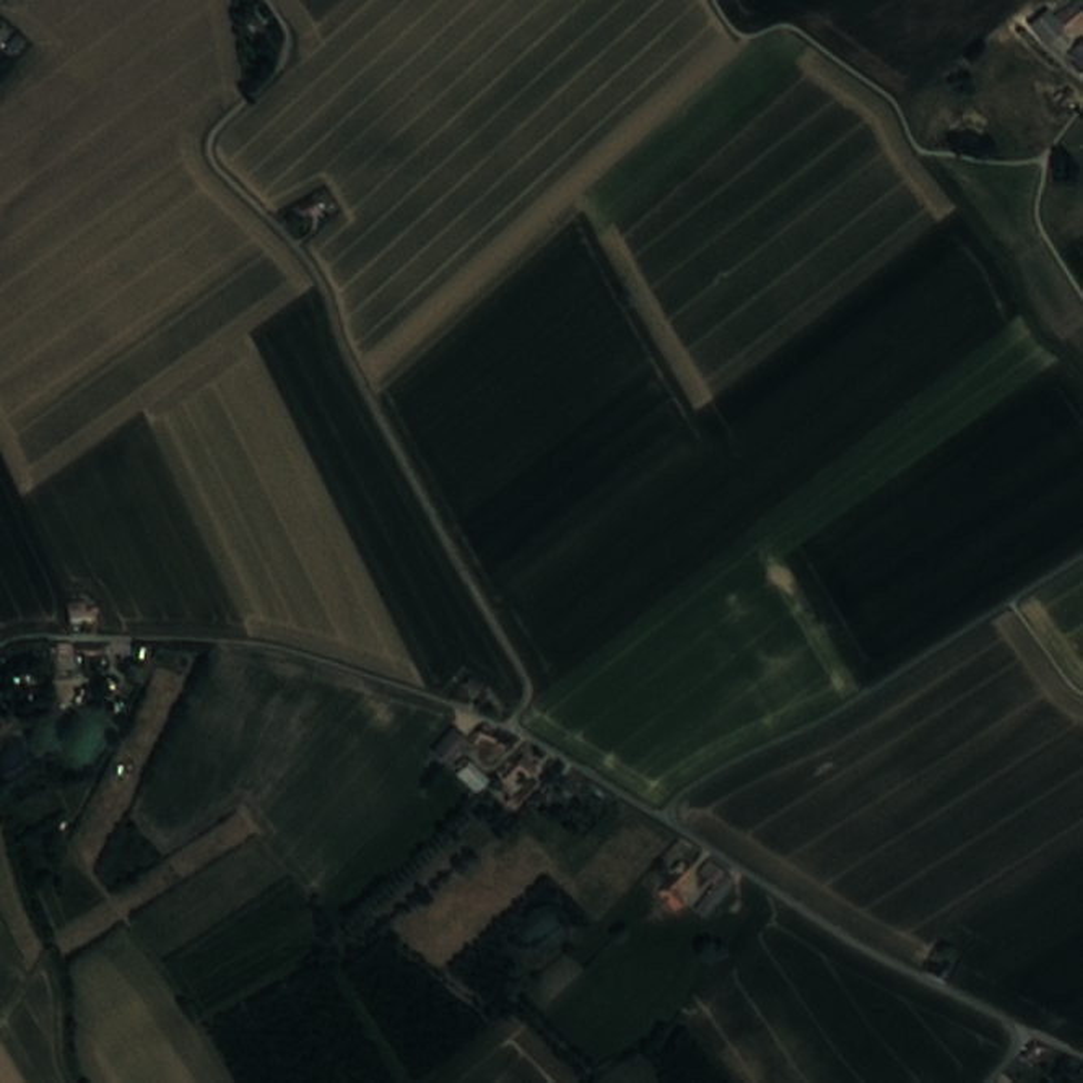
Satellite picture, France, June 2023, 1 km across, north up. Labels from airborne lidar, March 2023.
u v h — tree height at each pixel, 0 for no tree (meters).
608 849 0
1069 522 0
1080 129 0
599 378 0
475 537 0
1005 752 0
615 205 0
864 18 0
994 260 0
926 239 0
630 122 0
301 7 0
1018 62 0
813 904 0
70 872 0
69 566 0
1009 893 0
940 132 0
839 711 0
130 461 0
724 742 0
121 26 0
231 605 0
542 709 0
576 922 7
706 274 0
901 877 0
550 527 0
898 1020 0
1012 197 0
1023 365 0
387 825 0
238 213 0
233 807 0
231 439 0
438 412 0
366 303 0
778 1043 0
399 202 0
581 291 0
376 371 0
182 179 0
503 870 0
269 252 0
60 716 0
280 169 0
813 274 0
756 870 0
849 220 0
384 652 0
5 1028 0
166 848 0
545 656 0
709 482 0
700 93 0
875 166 0
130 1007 0
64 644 0
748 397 0
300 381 0
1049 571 0
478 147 0
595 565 0
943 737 0
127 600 0
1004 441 0
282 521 0
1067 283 0
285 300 0
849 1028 0
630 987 0
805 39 0
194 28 0
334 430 0
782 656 0
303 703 0
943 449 0
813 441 0
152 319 0
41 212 0
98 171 0
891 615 0
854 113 0
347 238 0
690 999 0
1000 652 0
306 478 0
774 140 0
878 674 0
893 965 0
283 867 0
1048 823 0
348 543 0
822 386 0
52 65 0
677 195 0
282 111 0
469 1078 0
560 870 0
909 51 0
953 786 0
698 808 0
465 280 0
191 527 0
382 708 0
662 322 0
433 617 0
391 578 0
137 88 0
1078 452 0
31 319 0
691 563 0
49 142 0
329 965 12
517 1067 0
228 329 0
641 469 0
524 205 0
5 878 0
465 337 0
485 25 0
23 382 0
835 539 0
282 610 0
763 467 0
